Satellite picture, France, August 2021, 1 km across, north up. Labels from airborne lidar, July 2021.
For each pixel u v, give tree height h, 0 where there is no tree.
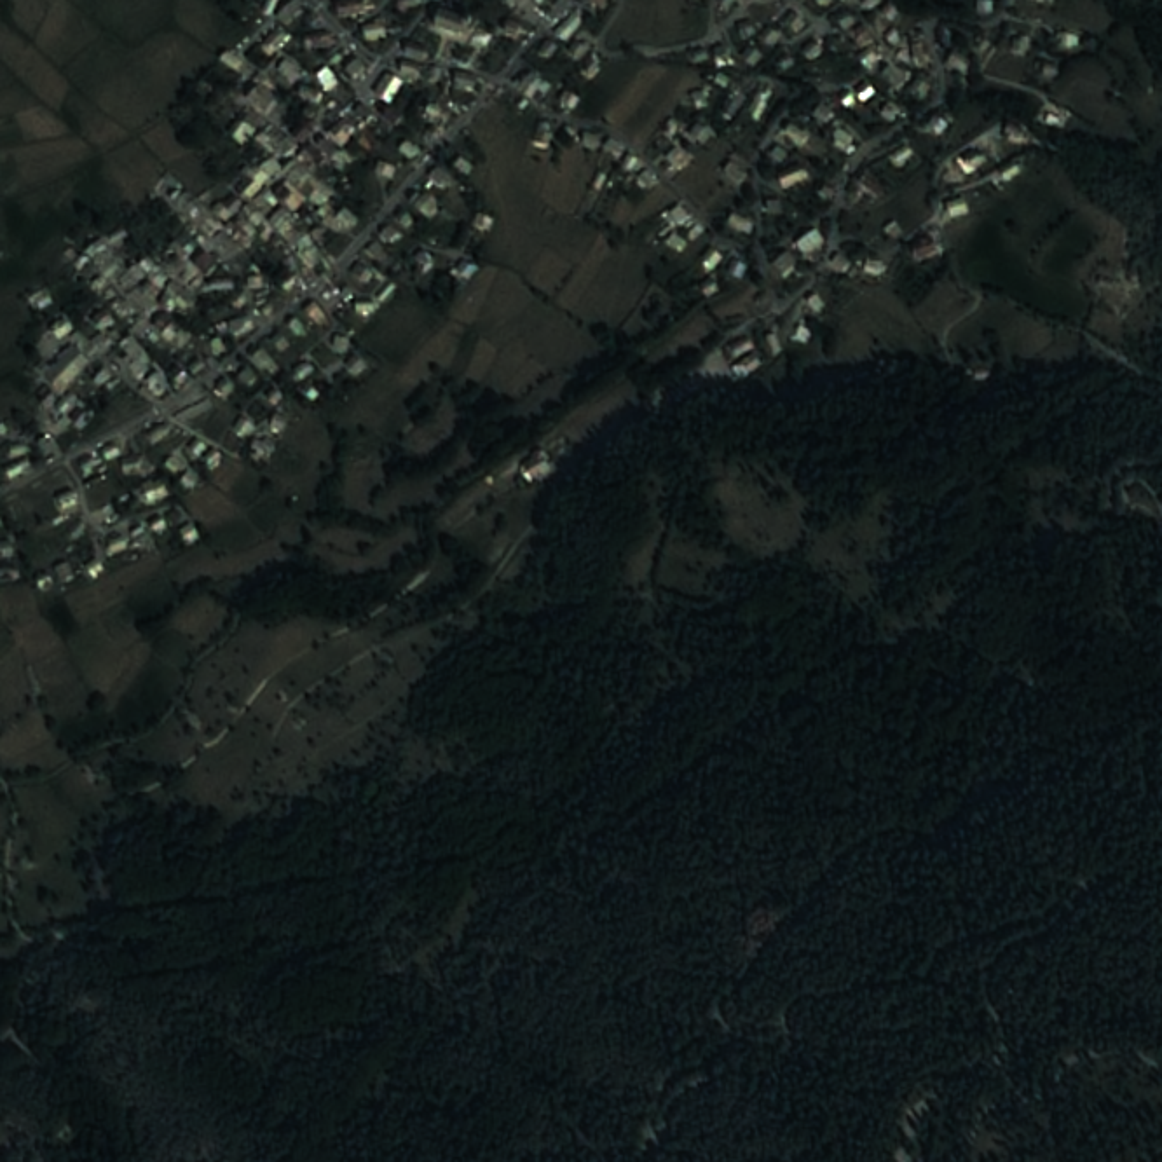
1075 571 22
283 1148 26
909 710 26
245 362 8
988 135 0
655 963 14
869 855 15
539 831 11
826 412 31
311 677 0
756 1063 20
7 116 0
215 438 0
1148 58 14
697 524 13
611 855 20
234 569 0
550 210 0
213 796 0
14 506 0
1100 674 29
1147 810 8
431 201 0
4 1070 24
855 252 7
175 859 13
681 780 11
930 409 12
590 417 0
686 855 20
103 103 0
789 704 13
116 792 9
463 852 14
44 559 0
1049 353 0
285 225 0
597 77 0
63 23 0
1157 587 12
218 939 26
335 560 0
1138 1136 18
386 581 9
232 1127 17
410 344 0
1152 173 16
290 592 17
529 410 0
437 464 13
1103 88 0
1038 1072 21
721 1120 17
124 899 18
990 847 21
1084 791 20
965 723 17
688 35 0
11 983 19
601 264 0
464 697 17
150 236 0
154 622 8
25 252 0
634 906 19
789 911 19
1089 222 0
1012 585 26
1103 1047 14
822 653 23
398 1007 11
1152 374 8
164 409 0
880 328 0
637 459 16
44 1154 15
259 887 11
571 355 0
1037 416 21
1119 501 9
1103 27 0
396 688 0
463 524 0
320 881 8
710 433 14
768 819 25
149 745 0
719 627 11
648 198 0
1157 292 7
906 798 30
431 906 12
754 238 8
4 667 0
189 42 0
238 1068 20
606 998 16
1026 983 6
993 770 15
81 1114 19
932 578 13
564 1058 19
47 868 0
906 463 26
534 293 8
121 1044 9
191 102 10
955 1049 11
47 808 0
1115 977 20
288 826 10
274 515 0
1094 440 17
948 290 0
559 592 15
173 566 0
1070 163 15
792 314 0
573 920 16
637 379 19
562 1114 21
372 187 0
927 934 25
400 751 6
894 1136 21
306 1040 9
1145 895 17
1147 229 12
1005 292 6
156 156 0
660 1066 12
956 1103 18
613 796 19
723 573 7
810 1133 25
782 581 21
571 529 17
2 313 0
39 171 0
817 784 26
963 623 19
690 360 15
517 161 0
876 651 11
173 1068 9
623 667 12
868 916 14
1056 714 28
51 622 0
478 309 0
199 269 0
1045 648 24
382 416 0
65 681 0
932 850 19
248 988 12
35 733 0
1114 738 7
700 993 14
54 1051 7
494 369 0
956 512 18
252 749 0
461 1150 24
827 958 17
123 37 0
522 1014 17
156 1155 15
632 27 0
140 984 21
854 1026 10
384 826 11
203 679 0
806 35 0
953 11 12
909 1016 15
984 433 25
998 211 0
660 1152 12
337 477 6
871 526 0
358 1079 20
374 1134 19
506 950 12
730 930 17
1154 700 18
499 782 14
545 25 0
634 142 0
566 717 23
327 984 25
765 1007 14
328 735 0
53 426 0
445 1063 23
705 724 22
